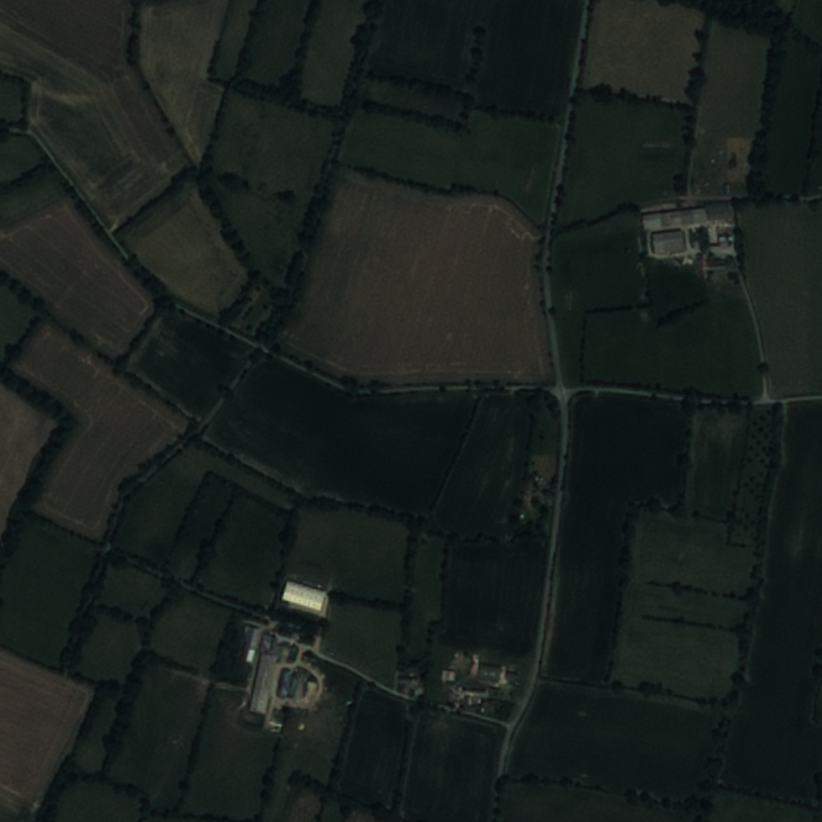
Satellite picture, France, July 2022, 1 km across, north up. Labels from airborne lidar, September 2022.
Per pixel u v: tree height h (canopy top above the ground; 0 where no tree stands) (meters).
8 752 0
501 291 0
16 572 0
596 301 0
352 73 9
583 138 0
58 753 0
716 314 0
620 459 0
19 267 0
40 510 0
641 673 0
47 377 0
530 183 0
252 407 0
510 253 0
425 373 0
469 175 0
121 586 0
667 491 0
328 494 0
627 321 0
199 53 0
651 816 0
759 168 15
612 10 0
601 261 0
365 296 0
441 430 0
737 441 0
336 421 0
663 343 0
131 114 0
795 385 0
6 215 0
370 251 0
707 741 0
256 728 0
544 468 0
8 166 0
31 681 0
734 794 14
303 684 0
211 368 0
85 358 0
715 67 0
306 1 0
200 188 13
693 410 17
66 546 0
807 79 0
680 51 0
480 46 12
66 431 20
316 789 15
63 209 0
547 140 0
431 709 10
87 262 0
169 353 0
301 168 0
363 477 0
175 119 0
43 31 0
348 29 0
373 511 11
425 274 0
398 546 0
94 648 0
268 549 0
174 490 0
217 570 0
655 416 0
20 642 0
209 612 0
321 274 0
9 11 0
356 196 0
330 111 8
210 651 0
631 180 0
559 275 0
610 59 0
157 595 0
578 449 0
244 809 0
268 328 13
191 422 9
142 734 0
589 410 0
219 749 0
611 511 0
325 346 0
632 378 0
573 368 0
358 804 9
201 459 0
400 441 0
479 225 0
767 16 21
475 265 0
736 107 0
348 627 0
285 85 21
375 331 0
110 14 0
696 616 0
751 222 0
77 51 0
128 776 0
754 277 0
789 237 0
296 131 0
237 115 0
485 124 0
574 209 0
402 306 0
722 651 0
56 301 0
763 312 0
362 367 0
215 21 0
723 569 0
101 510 0
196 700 0
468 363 0
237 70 6
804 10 0
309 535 0
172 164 0
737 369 0
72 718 0
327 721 0
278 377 0
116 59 0
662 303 0
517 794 0
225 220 8
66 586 0
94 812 0
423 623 0
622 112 0
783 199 13
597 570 0
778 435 9
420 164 0
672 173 0
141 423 0
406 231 0
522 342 0
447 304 0
